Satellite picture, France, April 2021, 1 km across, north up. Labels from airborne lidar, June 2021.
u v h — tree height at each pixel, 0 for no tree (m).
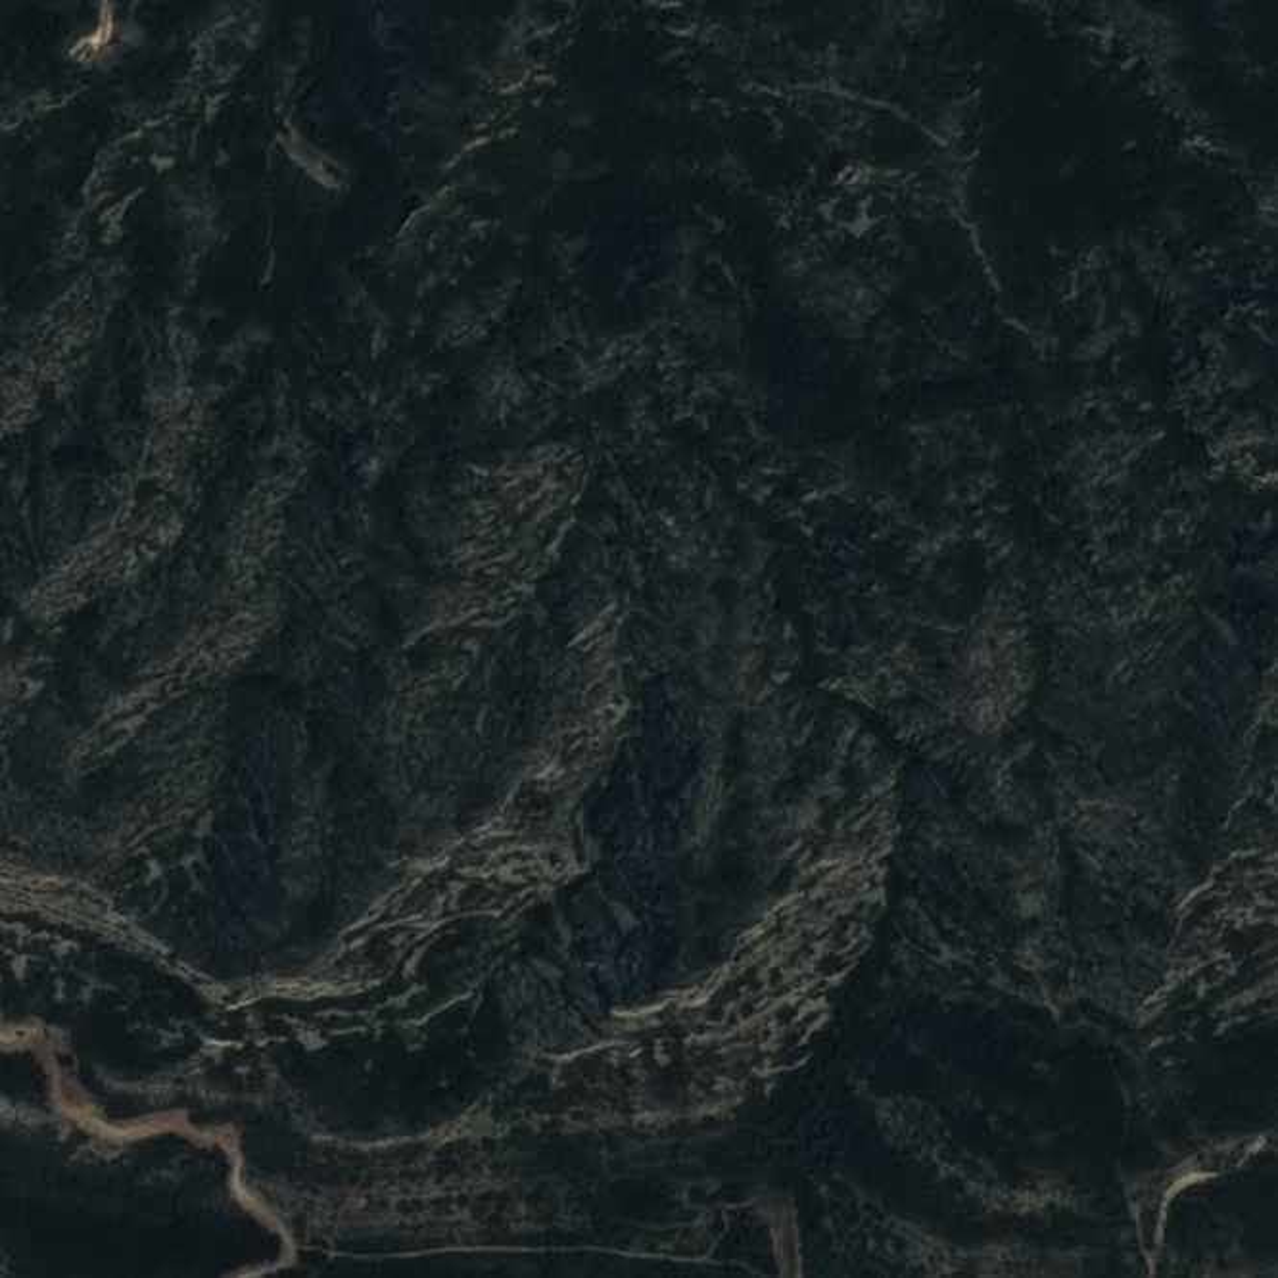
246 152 6
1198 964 23
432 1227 0
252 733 0
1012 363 6
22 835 0
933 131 0
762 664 7
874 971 5
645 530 12
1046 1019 5
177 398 0
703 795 0
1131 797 0
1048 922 0
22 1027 0
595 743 0
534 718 0
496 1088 0
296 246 6
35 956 9
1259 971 0
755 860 0
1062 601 0
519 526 0
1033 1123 0
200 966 0
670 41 7
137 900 0
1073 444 0
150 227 6
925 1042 0
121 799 0
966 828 0
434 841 0
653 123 6
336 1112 0
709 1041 0
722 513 0
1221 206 6
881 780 0
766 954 0
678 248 0
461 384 7
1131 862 0
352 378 7
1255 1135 0
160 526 0
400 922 13
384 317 0
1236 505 0
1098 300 0
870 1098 0
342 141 6
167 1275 0
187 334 0
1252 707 0
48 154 0
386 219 5
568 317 0
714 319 0
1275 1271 0
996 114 7
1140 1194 0
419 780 0
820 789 0
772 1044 0
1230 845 0
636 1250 0
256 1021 0
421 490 0
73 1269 0
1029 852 0
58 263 0
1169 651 0
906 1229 0
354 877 0
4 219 5
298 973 0
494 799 0
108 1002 6
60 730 0
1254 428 0
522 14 0
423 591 0
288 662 0
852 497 10
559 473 7
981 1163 0
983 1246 0
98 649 0
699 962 0
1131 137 6
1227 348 0
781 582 7
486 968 0
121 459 0
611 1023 0
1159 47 0
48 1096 0
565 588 0
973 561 6
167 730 0
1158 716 0
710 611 0
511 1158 0
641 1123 0
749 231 6
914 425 0
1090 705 0
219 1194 0
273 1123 0
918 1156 0
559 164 0
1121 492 6
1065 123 7
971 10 9
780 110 6
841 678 8
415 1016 0
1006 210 6
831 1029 8
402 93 0
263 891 0
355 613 0
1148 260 0
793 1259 0
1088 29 7
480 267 7
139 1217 0
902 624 0
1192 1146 0
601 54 6
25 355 0
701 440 6
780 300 6
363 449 0
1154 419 11
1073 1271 0
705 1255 0
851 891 0
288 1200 0
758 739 0
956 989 0
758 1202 0
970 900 0
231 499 0
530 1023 0
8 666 0
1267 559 0
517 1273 0
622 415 6
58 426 0
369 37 6
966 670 0
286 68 0
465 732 0
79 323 0
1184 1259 0
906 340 7
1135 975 0
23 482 0
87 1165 0
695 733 0
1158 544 10
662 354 6
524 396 0
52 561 0
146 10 5
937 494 0
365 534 0
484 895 0
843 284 0
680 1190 0
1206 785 0
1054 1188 0
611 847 7
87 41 0
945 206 13
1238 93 6
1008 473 6
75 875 0
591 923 0
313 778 0
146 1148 0
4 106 0
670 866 0
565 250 0
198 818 6
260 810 8
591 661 0
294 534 0
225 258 5
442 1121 0
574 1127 0
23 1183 0
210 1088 0
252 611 0
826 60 0
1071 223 6
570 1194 0
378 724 0
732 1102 0
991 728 0
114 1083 0
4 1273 0
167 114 12
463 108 0
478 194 6
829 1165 10
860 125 0
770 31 0
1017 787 0
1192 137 7
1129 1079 0
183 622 0
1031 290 5
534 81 6
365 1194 0
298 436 0
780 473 7
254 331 0
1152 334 6
